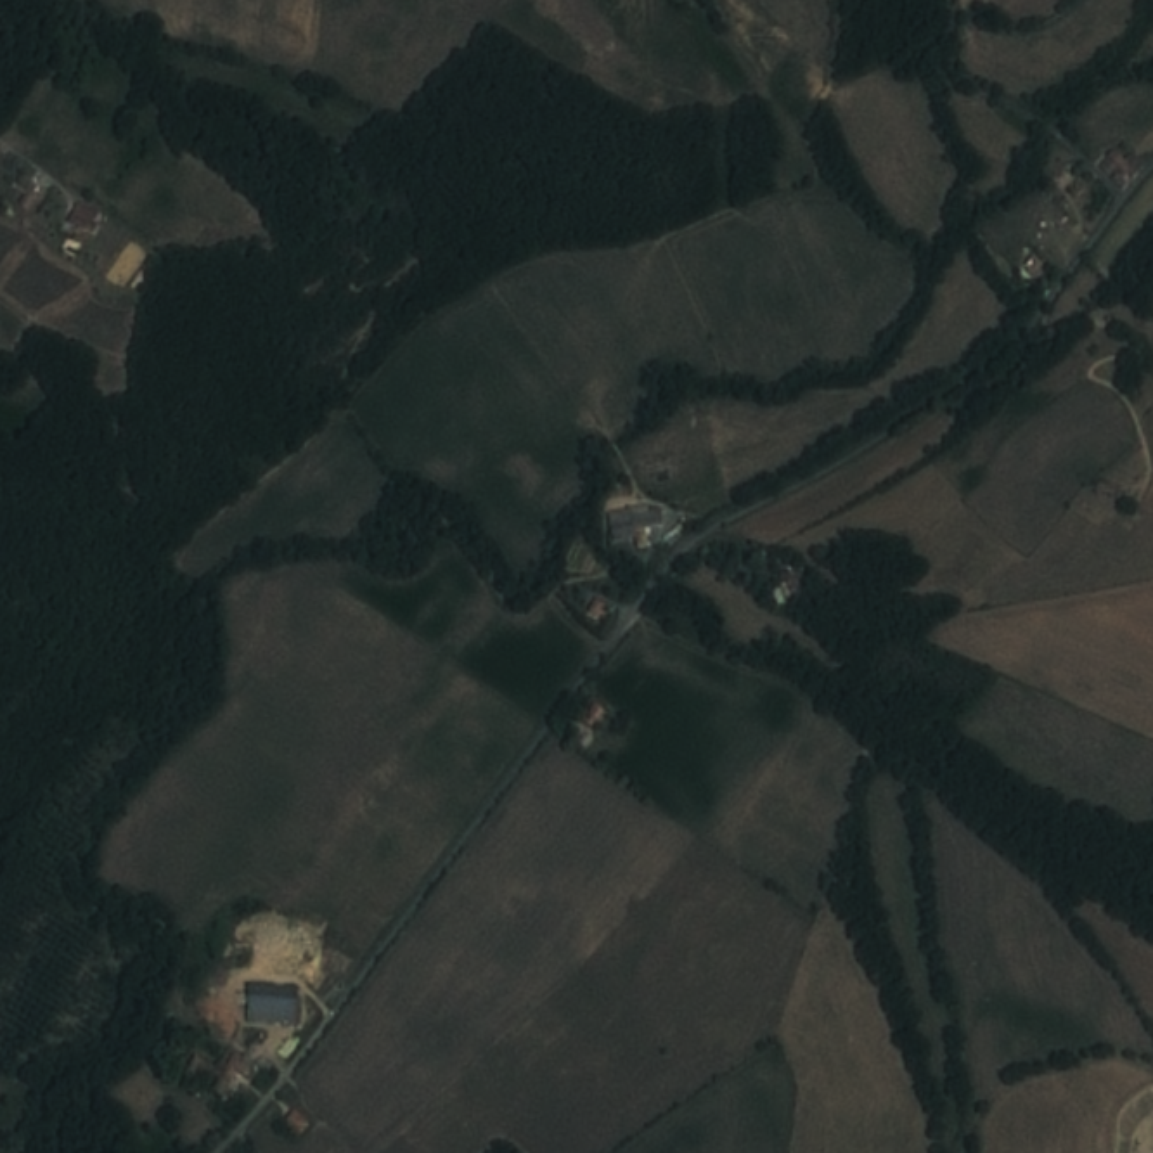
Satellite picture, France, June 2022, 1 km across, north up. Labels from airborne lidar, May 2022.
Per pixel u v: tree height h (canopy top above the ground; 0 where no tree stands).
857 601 16
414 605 0
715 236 0
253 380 15
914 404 16
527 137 18
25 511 20
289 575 0
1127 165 0
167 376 15
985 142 0
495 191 10
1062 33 0
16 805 17
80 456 13
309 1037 0
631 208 16
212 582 18
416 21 0
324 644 0
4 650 15
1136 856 19
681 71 0
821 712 12
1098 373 0
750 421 0
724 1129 0
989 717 0
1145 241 17
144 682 7
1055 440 0
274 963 0
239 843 0
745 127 16
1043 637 0
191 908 0
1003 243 0
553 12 0
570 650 0
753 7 0
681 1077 0
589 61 0
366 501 0
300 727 0
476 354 0
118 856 0
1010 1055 0
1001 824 19
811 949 0
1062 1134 0
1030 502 0
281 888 0
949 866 0
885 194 0
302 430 19
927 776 15
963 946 0
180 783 0
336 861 0
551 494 0
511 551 0
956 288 0
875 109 0
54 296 0
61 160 0
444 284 18
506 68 16
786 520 0
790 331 0
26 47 21
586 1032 0
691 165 11
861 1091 0
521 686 0
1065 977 0
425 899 7
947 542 0
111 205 0
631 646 0
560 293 0
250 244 8
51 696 18
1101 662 0
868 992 0
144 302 10
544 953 0
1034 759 0
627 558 13
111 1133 22
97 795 16
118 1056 25
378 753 0
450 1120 0
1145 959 0
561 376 0
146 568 10
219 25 0
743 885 0
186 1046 29
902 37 15
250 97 12
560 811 0
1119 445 0
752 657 20
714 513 7
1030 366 19
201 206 0
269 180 19
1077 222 0
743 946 0
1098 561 0
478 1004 0
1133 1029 0
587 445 22
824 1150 0
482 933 0
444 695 0
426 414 0
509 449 0
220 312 18
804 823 0
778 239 0
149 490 12
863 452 0
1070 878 14
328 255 12
